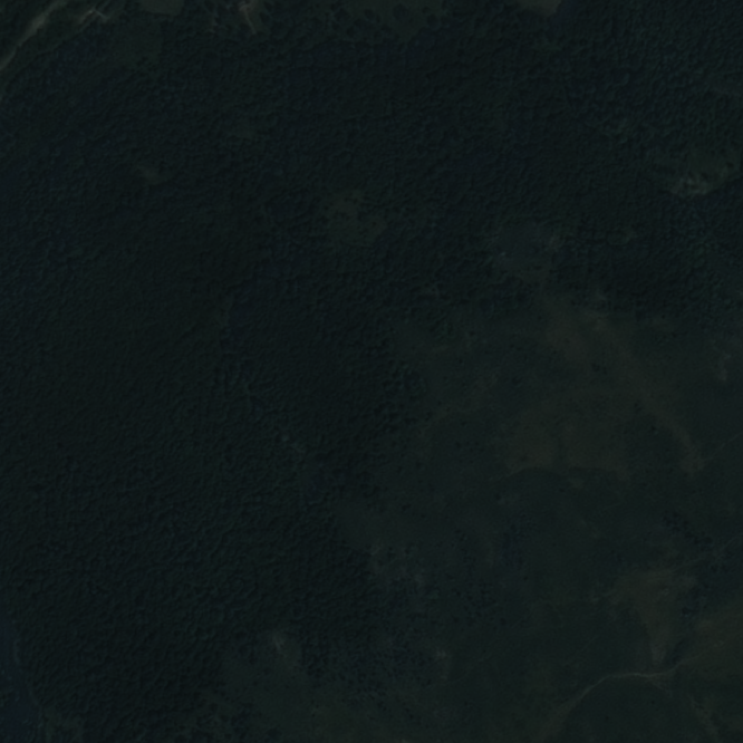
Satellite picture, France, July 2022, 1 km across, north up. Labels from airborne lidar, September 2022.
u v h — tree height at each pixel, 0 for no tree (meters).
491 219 10
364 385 21
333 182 7
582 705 0
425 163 17
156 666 21
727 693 0
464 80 22
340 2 8
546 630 0
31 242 22
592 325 0
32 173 18
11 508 15
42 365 20
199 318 16
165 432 22
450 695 0
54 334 24
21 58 10
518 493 0
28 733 19
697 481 0
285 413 21
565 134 30
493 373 0
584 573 0
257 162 11
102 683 13
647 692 0
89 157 27
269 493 22
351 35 14
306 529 15
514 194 23
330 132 19
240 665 0
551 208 19
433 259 18
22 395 27
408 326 0
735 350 0
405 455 6
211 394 26
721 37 11
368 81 29
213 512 17
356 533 0
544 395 0
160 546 21
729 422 0
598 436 0
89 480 22
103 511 19
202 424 24
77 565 23
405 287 17
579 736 0
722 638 0
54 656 20
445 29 22
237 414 25
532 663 0
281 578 20
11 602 15
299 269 21
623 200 18
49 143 13
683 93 14
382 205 6
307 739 0
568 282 6
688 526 7
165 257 29
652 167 9
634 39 22
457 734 0
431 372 0
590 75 9
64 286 21
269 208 11
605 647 0
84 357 24
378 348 13
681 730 0
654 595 0
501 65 10
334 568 19
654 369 0
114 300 23
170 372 28
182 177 15
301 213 11
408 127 11
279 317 26
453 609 0
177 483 25
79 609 14
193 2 19
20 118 11
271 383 26
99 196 25
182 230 26
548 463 0
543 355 0
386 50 19
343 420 19
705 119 15
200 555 23
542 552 0
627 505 0
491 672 0
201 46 11
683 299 11
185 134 13
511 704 0
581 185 18
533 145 31
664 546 0
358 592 13
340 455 19
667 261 27
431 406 0
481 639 0
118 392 25
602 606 0
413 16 9
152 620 24
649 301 11
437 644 0
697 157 0
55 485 24
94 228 25
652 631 0
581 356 0
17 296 21
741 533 0
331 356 25
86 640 12
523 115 19
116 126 17
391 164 15
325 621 16
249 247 20
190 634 16
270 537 21
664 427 0
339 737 0
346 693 0
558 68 13
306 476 0
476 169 30
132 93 11
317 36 20
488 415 0
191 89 8
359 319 15
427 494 0
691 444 0
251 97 10
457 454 0
